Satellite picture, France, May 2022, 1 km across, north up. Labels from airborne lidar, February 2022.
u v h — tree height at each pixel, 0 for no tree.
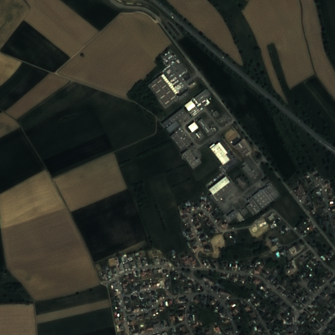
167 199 0
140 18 0
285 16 0
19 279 0
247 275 0
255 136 0
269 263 16
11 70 0
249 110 0
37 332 0
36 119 0
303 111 6
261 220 0
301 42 0
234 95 0
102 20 0
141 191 8
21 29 0
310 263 0
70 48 0
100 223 0
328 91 0
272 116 8
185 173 0
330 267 0
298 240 0
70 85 0
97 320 0
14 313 0
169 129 0
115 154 0
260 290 14
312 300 0
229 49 0
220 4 0
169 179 0
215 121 0
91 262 0
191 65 0
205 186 0
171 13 0
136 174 0
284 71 0
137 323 0
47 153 0
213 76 0
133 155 0
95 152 0
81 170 0
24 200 0
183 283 0
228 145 0
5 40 0
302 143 10
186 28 0
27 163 0
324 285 0
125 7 0
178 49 0
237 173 0
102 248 0
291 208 0
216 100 0
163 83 0
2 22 0
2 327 0
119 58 0
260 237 0
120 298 0
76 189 0
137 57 0
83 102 0
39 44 0
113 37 0
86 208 0
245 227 0
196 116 0
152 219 0
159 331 0
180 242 0
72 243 0
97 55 0
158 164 0
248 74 8
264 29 0
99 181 0
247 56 0
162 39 0
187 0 0
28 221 0
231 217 0
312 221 0
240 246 8
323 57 0
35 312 0
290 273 0
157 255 0
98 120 0
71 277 0
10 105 0
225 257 11
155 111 8
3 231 0
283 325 0
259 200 0
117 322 0
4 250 0
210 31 0
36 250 0
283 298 0
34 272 0
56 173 0
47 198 0
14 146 0
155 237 0
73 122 0
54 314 0
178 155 0
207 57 0
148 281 0
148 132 0
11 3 0
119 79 0
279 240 0
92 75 0
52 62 0
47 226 0
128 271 0
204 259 0
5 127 0
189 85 0
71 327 0
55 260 0
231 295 0
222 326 0
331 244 0
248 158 0
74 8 0
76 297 0
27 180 0
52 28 0
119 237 0
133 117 0
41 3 0
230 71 6
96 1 0
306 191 7
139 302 0
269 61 0
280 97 16
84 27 0
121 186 0
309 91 0
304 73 0
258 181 0
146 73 0
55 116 0
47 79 0
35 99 0
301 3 0
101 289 0
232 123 0
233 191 0
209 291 0
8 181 0
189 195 0
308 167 12
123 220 0
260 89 0
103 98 0
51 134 0
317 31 0
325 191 0
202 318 0
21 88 0
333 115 0
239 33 0
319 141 0
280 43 0
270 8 0
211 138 0
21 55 0
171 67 0
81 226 0
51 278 0
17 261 0
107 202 0
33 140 0
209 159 0
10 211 0
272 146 0
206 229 0
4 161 0
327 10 0
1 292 0
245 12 0
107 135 0
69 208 0
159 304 0
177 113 0
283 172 0
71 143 0
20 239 0
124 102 0
